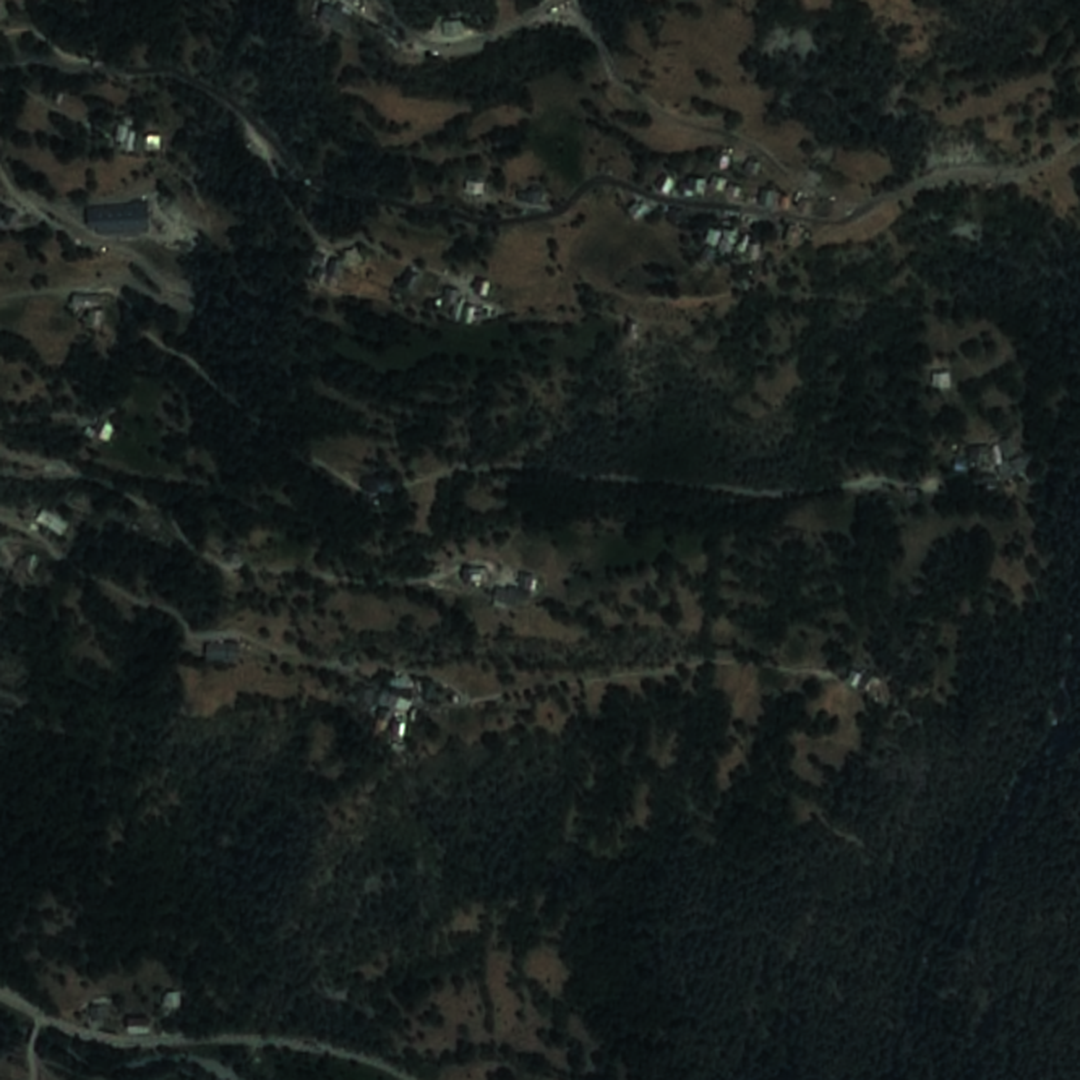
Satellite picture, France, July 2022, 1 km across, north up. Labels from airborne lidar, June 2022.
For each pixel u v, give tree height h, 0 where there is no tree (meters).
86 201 15
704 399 7
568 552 0
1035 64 12
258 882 31
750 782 20
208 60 18
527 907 19
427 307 7
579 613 13
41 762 16
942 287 16
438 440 10
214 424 17
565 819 10
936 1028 33
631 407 9
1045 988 14
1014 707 16
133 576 22
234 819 24
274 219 23
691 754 16
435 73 13
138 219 0
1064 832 17
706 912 16
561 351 0
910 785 14
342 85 8
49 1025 0
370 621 0
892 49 10
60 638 17
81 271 0
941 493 8
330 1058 10
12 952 20
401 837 6
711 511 18
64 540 6
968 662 14
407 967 10
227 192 19
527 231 0
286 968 11
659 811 24
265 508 11
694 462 12
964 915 18
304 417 19
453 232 13
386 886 15
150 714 18
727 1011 24
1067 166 0
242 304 20
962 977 12
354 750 15
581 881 25
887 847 12
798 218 0
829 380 16
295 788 12
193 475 14
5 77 16
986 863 30
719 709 16
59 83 21
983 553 21
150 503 17
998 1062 22
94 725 18
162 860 16
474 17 11
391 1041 10
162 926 24
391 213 10
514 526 16
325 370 15
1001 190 7
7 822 23
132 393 18
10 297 0
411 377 10
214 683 0
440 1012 12
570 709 13
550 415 13
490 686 0
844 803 21
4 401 12
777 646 7
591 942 16
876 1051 19
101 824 19
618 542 0
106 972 17
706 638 10
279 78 11
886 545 23
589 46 15
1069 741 8
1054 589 25
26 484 8
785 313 13
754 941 16
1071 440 16
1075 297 19
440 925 15
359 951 10
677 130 0
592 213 0
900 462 12
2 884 21
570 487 20
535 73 12
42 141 14
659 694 17
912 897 18
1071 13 14
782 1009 11
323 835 8
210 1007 17
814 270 10
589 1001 11
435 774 6
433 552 14
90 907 24
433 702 6
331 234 9
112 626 18
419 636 7
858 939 14
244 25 7
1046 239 9
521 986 15
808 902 14
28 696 10
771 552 14
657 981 23
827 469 13
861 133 22
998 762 18
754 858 17
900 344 18
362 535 15
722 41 0
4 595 6
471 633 12
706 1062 15
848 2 8
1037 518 26
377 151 16
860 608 20
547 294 0
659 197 0
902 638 9
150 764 13
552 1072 7
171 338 9
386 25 14
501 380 7
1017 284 21
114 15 21
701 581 13
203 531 19
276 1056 7
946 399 0
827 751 0
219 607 16
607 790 22
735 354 7
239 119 15
